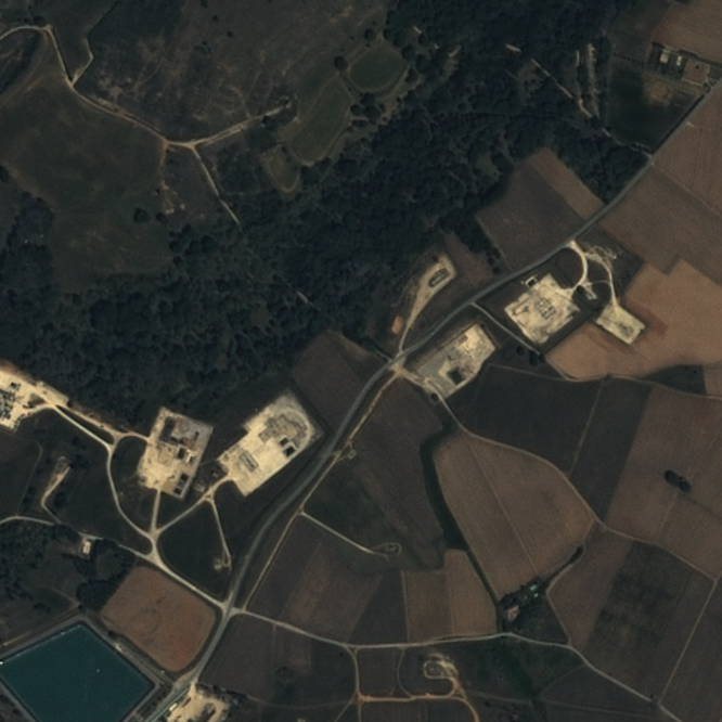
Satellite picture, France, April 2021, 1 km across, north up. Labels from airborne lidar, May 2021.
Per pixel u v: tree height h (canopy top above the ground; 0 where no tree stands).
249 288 10
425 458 0
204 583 0
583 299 0
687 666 0
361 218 9
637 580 0
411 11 13
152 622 0
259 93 0
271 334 11
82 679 0
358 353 0
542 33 7
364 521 0
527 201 0
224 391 10
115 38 0
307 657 0
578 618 0
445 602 0
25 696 0
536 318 0
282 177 0
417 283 0
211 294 10
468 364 0
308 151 0
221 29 0
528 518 0
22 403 0
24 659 0
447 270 0
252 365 13
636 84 0
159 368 9
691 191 0
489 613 0
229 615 0
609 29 0
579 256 0
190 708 0
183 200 0
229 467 0
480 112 11
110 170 0
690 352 0
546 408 0
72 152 0
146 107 0
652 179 0
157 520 0
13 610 0
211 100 0
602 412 0
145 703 0
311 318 12
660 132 0
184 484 0
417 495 0
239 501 0
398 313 0
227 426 0
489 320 0
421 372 0
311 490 0
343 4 0
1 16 0
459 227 6
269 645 0
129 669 0
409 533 0
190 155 0
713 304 0
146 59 0
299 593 0
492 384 0
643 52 0
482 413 0
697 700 0
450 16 11
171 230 0
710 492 0
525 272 0
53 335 12
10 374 0
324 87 0
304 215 10
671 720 0
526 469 0
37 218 13
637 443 0
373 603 0
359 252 14
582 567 0
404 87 0
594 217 0
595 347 0
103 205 0
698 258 0
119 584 11
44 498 0
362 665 0
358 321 10
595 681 0
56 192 0
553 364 0
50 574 0
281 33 0
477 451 0
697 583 0
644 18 0
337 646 0
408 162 10
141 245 0
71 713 0
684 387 0
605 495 0
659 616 0
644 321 0
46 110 0
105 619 0
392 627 0
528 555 0
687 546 0
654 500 0
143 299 16
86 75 0
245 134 0
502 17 11
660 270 0
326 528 0
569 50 6
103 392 11
